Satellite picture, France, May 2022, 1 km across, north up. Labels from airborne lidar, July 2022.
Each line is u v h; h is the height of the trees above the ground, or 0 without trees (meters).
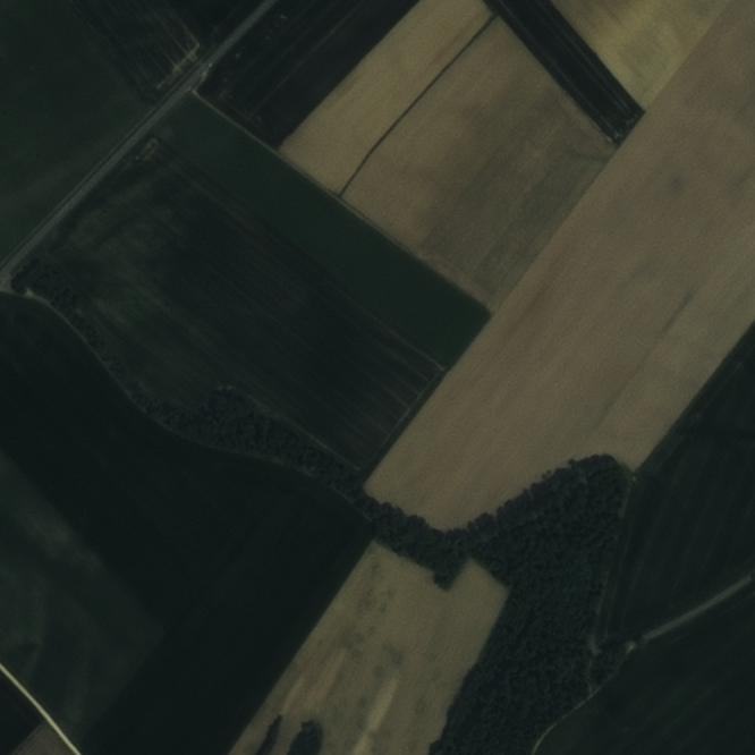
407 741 0
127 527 0
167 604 0
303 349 0
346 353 0
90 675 0
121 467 0
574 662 21
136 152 0
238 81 0
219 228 0
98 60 0
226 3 0
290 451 24
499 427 0
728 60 0
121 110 0
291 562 0
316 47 0
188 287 0
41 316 0
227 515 0
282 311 0
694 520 0
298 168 0
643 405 0
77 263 0
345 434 0
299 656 0
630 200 0
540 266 0
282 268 0
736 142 0
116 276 0
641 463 0
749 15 0
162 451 0
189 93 0
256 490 0
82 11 0
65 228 0
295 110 0
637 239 0
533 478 0
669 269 0
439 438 0
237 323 0
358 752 0
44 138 0
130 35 0
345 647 0
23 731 0
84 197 0
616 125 0
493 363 0
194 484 0
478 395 0
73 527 0
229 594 0
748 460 0
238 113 0
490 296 0
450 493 0
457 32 0
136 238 0
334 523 0
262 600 0
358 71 0
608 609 0
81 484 0
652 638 0
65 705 0
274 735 11
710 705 0
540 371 0
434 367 0
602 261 0
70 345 0
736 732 0
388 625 0
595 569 19
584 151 0
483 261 0
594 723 0
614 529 23
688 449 0
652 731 0
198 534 0
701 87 0
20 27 0
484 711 20
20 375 0
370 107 0
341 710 0
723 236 0
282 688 0
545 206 0
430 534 22
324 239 0
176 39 0
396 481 0
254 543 0
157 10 0
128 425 0
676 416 0
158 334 0
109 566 0
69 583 0
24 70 0
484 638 0
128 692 0
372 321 0
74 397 0
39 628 0
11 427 0
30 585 0
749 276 0
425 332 0
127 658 0
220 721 0
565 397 0
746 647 0
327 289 0
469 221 0
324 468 20
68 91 0
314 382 0
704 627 0
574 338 0
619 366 0
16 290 15
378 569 0
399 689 0
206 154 0
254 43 0
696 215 0
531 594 26
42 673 0
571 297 0
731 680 0
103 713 0
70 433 0
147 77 0
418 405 0
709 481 0
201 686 0
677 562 0
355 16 0
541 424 0
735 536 0
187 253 0
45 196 0
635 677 0
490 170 0
